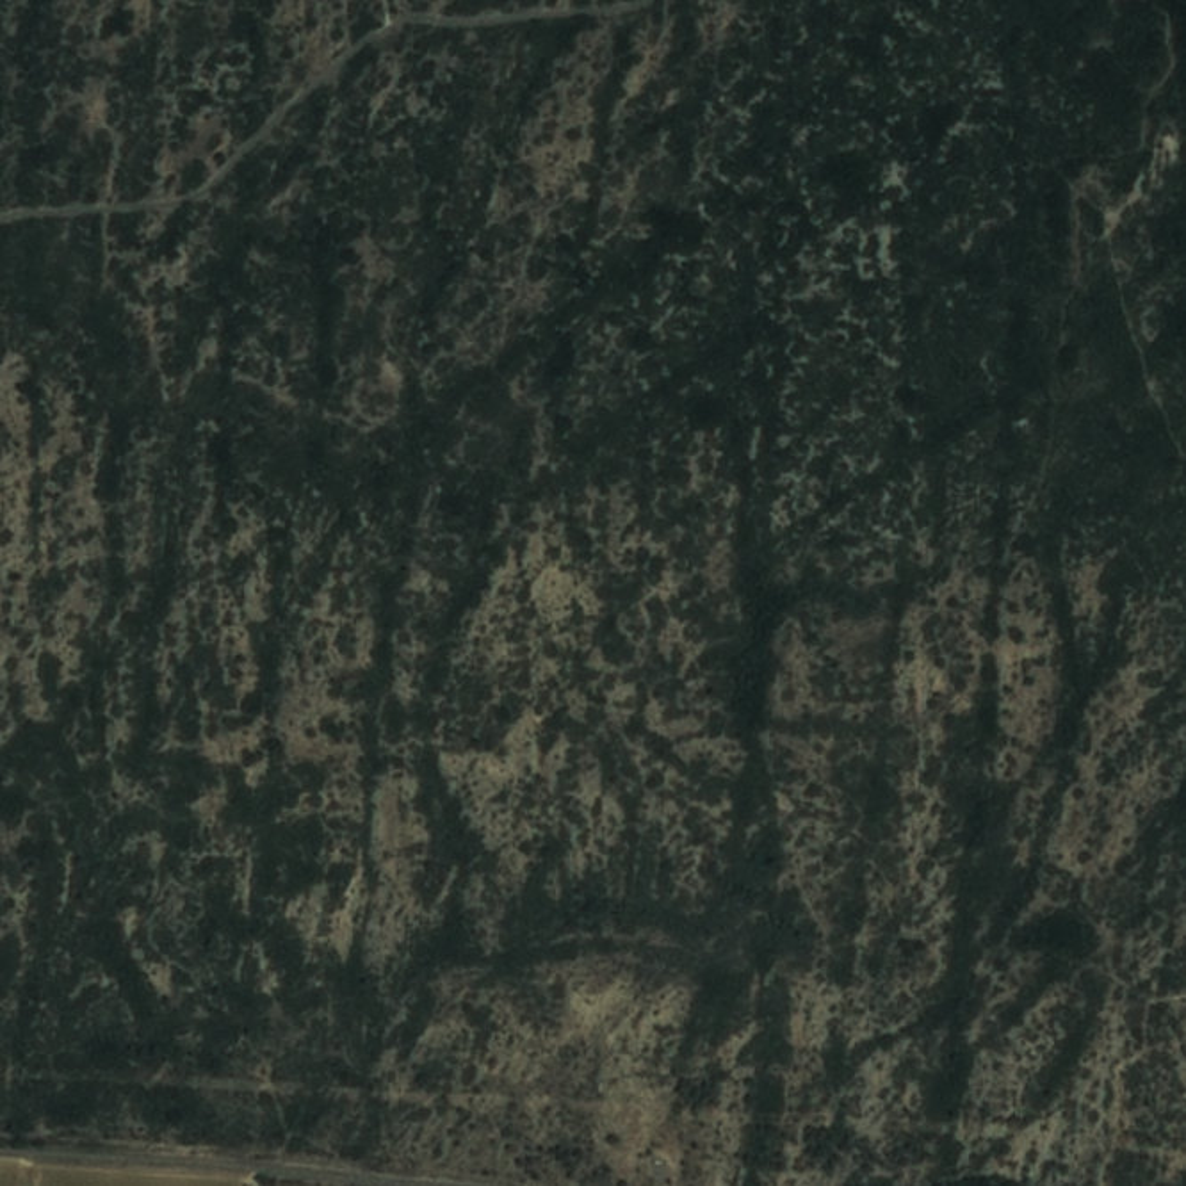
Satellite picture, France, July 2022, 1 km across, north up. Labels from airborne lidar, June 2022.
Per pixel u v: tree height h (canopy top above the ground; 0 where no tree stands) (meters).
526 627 0
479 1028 0
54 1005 0
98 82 0
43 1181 0
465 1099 0
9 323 0
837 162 6
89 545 0
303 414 0
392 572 0
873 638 0
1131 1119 0
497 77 0
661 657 0
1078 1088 0
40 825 0
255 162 0
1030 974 0
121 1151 0
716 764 0
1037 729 0
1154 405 0
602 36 0
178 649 0
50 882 0
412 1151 0
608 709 0
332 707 0
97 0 0
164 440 0
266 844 0
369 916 0
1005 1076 0
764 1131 8
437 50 0
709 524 0
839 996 0
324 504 0
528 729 0
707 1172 0
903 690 0
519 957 0
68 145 0
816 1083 0
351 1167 0
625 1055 0
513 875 0
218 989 7
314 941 0
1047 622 0
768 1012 0
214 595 0
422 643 0
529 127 0
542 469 0
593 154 0
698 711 0
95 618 0
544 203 0
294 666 0
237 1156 0
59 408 0
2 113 0
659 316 0
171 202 0
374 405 0
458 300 0
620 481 0
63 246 0
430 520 0
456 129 0
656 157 0
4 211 0
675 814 0
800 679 0
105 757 0
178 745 0
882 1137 0
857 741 0
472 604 0
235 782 0
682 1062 0
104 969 0
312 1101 0
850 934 0
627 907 9
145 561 0
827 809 0
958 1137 0
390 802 0
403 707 0
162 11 0
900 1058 0
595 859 0
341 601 0
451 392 0
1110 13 0
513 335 0
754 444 0
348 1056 0
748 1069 0
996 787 0
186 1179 0
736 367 6
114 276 0
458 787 0
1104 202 0
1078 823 0
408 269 0
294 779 0
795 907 0
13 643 0
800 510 0
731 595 0
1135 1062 0
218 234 0
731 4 0
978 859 0
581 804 0
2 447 0
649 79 0
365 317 0
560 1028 0
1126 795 0
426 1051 0
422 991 0
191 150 0
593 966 0
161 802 0
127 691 0
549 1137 0
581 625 0
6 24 0
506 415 0
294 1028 0
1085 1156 0
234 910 0
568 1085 0
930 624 0
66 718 0
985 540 0
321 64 0
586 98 0
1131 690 0
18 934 0
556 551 0
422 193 0
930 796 0
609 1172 7
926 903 0
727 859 0
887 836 0
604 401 0
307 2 0
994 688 0
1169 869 0
